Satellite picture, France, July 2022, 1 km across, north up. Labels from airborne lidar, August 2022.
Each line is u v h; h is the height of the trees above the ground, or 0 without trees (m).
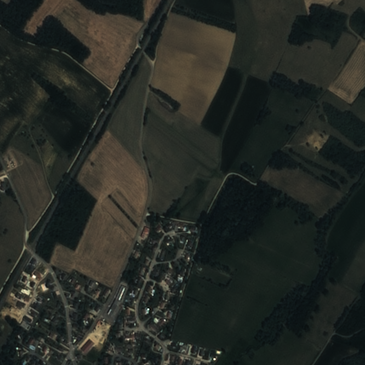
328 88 0
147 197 0
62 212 11
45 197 0
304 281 0
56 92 9
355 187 12
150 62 0
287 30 0
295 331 16
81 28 0
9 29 15
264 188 19
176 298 7
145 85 0
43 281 0
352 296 0
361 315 7
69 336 0
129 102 0
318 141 0
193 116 0
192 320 0
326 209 0
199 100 0
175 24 0
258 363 0
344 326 6
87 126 0
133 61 8
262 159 0
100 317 0
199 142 0
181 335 0
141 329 0
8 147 0
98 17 0
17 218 0
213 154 0
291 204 13
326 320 0
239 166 0
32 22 0
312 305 22
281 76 13
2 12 19
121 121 0
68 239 7
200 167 0
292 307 17
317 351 0
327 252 13
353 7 0
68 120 0
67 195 12
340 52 0
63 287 0
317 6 12
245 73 0
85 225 6
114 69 0
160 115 0
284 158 17
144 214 0
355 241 0
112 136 0
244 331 0
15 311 0
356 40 0
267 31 0
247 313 0
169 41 0
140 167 0
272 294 0
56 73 0
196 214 0
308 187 0
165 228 8
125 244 0
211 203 0
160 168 0
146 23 0
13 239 0
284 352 0
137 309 0
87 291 8
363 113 0
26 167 0
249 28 0
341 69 0
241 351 0
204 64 0
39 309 0
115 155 0
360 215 0
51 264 0
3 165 0
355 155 8
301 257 0
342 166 9
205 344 0
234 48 0
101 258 0
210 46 0
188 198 0
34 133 0
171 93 0
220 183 0
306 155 0
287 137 0
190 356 0
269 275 0
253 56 0
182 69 0
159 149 0
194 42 0
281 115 0
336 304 0
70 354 0
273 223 0
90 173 0
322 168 7
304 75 0
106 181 0
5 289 8
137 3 17
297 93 14
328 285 0
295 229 0
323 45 0
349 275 0
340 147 12
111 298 0
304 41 9
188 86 0
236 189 19
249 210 25
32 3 22
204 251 19
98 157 0
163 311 9
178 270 6
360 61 0
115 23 0
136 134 0
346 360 8
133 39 0
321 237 15
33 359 8
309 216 16
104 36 0
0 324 0
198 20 11
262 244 0
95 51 0
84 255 0
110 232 0
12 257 0
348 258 0
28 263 0
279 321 16
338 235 0
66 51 8
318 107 13
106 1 18
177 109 11
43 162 0
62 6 0
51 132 0
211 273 0
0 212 0
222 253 9
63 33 19
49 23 22
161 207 0
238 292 0
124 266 0
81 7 0
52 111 0
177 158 0
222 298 0
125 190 0
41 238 10
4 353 11
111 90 0
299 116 0
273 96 0
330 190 0
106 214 0
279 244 0
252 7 0
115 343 0
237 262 0
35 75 11
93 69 0
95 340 0
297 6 0
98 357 0
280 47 0
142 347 6
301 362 0
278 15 0
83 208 5
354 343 10
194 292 0
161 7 15
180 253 0
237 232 19
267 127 0
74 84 0
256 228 19
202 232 8
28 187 0
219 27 8
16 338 9
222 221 22
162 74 0
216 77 0
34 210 0
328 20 10
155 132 0
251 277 0
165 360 0
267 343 12
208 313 0
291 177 0
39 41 14
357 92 0
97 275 0
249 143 0
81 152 6
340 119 7
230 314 0
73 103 10
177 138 0
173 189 0
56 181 0
